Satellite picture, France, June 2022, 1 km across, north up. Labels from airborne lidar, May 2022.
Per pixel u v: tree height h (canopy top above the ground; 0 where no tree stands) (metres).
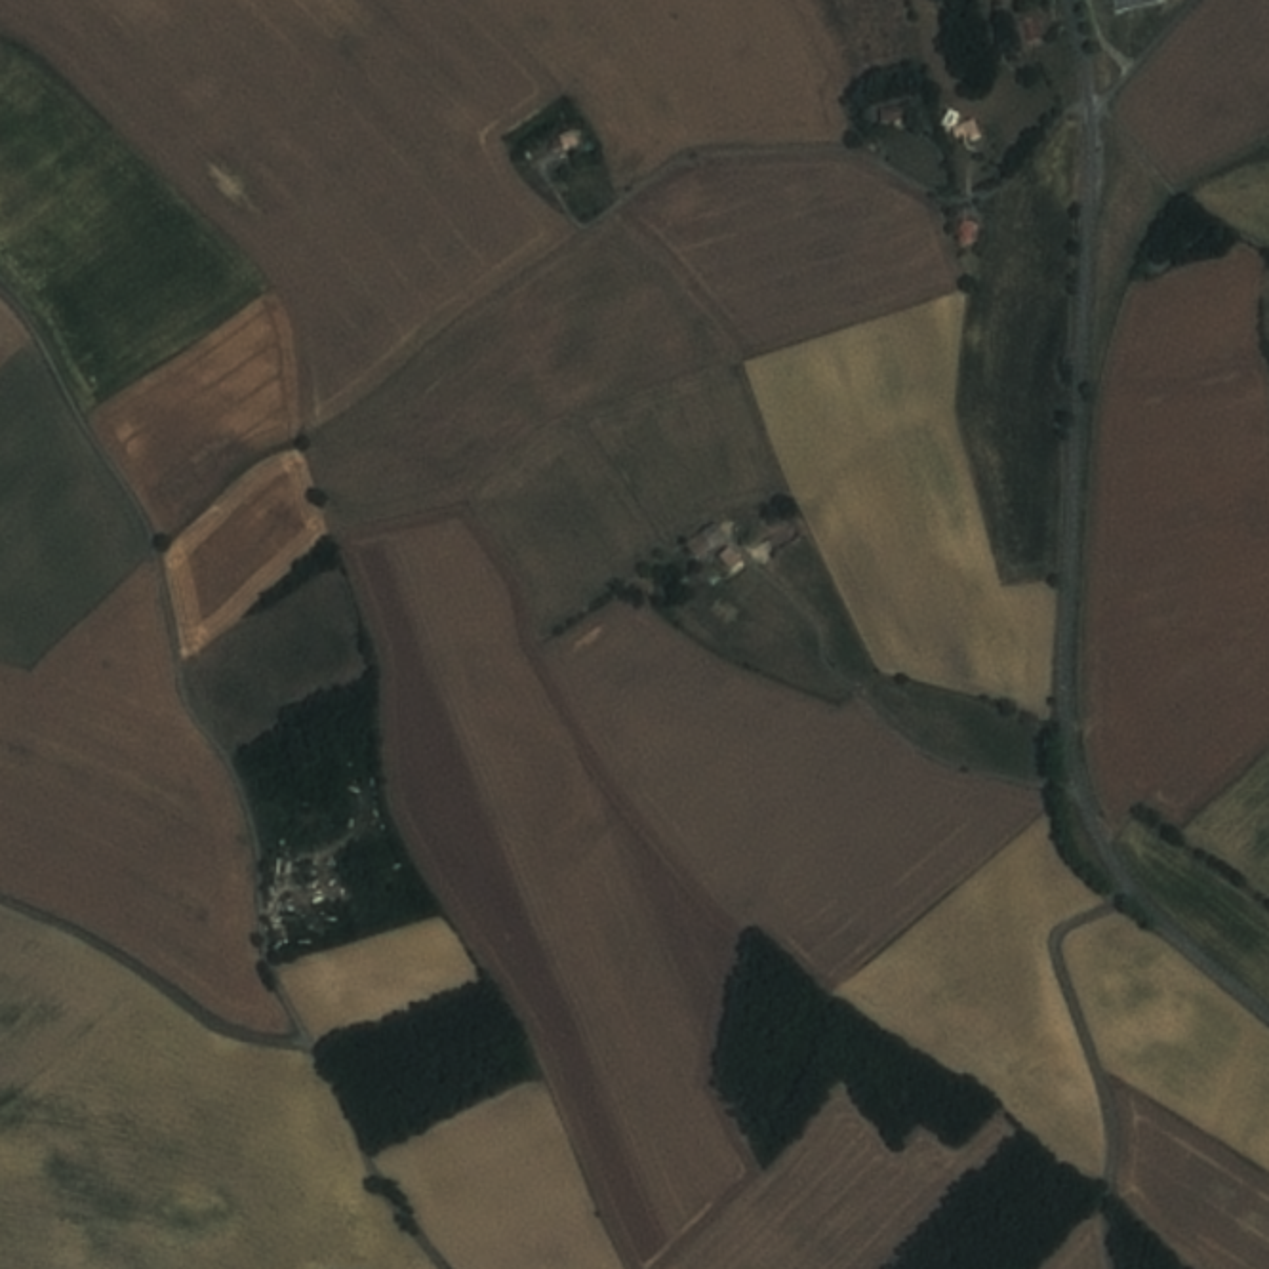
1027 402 0
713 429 0
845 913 0
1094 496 0
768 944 14
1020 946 0
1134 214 0
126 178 0
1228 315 0
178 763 0
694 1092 0
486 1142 0
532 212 0
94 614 0
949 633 0
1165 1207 0
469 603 0
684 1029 0
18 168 0
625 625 0
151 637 0
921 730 0
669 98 0
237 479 0
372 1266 0
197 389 0
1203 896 0
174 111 0
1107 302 0
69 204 0
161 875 0
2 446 0
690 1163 0
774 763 0
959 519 0
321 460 0
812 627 0
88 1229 0
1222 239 17
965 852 0
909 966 0
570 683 0
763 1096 14
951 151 7
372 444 0
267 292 0
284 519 0
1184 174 0
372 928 7
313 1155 0
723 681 0
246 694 0
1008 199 0
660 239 0
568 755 0
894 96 9
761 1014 14
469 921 0
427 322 0
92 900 0
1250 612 0
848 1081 9
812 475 0
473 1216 0
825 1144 0
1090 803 0
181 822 0
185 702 0
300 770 16
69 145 0
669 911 0
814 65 0
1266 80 0
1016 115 0
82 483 0
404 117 0
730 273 0
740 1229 0
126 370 0
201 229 0
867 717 0
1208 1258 0
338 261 0
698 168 0
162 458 0
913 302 0
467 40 0
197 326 0
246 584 0
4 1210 0
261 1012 0
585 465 0
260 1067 0
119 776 0
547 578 0
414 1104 15
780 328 0
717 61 0
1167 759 0
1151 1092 0
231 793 0
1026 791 0
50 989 0
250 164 0
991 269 0
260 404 0
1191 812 0
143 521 0
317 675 0
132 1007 0
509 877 0
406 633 0
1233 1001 0
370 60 0
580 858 0
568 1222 0
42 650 0
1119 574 0
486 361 0
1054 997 0
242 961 0
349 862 14
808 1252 0
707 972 0
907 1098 13
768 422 0
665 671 0
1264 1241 0
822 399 0
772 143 0
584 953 0
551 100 0
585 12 0
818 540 0
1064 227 0
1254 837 0
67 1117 0
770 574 0
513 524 0
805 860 0
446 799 0
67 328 0
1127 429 0
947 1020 0
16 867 0
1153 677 0
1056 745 28
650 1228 0
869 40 0
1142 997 0
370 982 0
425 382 0
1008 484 0
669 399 0
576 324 0
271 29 0
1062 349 0
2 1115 0
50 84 0
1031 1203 13
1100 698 0
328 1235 0
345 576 7
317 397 0
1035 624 0
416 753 0
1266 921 0
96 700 0
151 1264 0
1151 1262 15
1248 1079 0
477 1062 16
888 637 0
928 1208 0
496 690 0
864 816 0
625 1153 0
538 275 0
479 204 0
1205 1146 0
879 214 0
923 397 0
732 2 0
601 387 0
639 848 0
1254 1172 0
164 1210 0
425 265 0
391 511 0
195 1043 0
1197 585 0
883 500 0
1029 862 0
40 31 0
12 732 0
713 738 0
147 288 0
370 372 0
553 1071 0
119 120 0
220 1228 0
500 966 0
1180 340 0
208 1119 0
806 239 0
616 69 0
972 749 0
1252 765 0
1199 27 0
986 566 0
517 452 0
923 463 0
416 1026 15
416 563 0
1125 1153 0
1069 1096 0
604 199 0
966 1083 13
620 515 0
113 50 0
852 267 0
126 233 0
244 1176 0
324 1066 16
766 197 0
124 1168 0
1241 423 0
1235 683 0
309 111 0
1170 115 0
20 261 0
